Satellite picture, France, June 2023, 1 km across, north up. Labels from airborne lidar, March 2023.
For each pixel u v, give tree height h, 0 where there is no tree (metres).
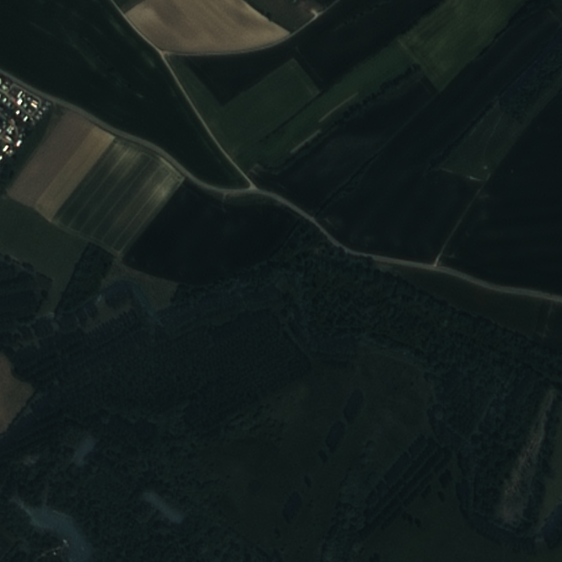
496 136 0
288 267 18
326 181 0
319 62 0
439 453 25
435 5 10
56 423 29
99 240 0
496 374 17
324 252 6
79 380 34
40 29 0
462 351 9
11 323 30
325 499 0
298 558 0
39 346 0
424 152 0
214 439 16
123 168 0
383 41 0
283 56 0
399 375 0
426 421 0
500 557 0
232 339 34
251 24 0
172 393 33
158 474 9
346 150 0
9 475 6
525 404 28
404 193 0
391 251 0
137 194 0
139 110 0
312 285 7
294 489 0
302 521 0
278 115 0
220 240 0
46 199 0
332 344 39
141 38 0
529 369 17
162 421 9
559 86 0
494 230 0
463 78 0
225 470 0
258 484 0
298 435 0
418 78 0
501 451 22
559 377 8
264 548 0
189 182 0
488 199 0
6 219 0
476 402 33
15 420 6
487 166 0
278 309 0
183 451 7
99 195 0
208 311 38
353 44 0
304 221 8
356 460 0
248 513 0
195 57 0
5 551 0
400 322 8
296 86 0
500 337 13
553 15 0
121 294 33
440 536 0
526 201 0
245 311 0
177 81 0
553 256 0
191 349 36
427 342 6
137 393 35
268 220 0
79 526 10
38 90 0
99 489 17
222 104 0
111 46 0
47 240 0
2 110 21
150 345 36
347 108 0
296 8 0
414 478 20
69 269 0
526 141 0
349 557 15
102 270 11
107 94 0
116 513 16
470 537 0
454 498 0
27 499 12
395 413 0
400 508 25
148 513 21
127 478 16
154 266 0
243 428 9
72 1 0
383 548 0
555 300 0
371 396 0
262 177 0
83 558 0
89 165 0
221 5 0
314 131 0
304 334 35
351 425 0
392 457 0
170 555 17
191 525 14
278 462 0
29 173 0
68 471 13
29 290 0
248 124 0
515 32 0
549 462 14
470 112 0
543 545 0
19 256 0
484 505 13
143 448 17
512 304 0
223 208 0
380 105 0
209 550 6
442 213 0
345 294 8
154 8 0
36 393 7
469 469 30
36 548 7
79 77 0
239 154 0
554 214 0
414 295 19
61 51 0
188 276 0
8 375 0
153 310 0
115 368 35
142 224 0
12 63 0
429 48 0
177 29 0
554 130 0
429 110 0
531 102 21
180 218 0
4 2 0
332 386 0
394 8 0
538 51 0
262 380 32
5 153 9
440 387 14
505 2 0
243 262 0
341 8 0
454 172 0
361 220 0
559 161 0
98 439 15
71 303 14
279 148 0
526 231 0
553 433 21
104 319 0
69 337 29
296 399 0
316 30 0
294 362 32
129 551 17
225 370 32
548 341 0
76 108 0
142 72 0
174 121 0
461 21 0
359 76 0
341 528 13
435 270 0
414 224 0
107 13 0
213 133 0
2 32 0
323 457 20
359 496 8
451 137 0
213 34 0
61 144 0
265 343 35
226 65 0
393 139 0
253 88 0
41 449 30
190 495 7
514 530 10
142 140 0
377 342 10
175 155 0
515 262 0
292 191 0
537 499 19
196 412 32
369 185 0
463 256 0
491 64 0
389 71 0
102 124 0
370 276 21
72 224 0
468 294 0
